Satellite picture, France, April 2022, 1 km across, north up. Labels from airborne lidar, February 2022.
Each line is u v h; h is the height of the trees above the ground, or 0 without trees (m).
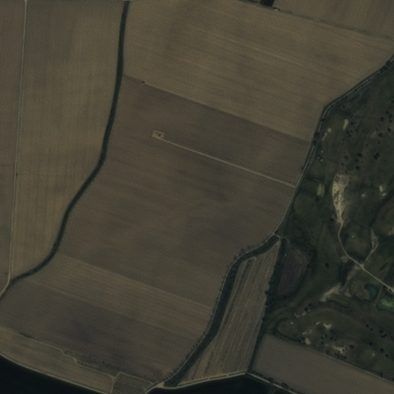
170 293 0
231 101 0
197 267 0
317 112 0
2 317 0
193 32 0
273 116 0
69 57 0
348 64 0
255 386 0
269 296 10
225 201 0
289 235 0
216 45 0
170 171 0
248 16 0
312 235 0
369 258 0
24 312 0
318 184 0
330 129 0
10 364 0
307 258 0
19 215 0
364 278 0
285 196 0
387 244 0
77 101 0
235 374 0
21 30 0
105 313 0
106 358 0
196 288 0
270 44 0
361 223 0
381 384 0
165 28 0
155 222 0
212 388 0
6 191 0
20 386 0
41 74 0
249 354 0
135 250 0
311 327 0
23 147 0
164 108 0
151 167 0
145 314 0
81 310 0
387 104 0
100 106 0
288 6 0
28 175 0
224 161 0
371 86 0
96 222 0
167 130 0
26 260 0
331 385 0
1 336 0
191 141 0
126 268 0
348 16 0
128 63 0
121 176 0
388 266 0
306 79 0
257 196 0
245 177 0
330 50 0
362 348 0
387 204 0
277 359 0
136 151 0
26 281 0
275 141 0
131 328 0
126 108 0
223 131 0
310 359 0
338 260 0
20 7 0
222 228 0
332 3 0
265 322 9
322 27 0
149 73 0
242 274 0
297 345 0
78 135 0
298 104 0
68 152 0
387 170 0
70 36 0
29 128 0
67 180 0
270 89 0
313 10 0
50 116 0
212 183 0
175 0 0
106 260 0
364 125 0
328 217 0
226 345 0
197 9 0
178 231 0
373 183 0
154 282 0
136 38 0
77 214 0
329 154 0
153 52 0
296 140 0
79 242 0
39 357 0
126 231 0
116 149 0
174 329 0
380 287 0
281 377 0
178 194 0
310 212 0
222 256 0
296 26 0
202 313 0
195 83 0
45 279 0
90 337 0
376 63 0
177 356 0
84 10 0
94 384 0
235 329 0
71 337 0
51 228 0
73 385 0
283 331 0
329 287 0
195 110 0
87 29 0
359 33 0
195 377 0
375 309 0
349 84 0
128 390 0
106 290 0
